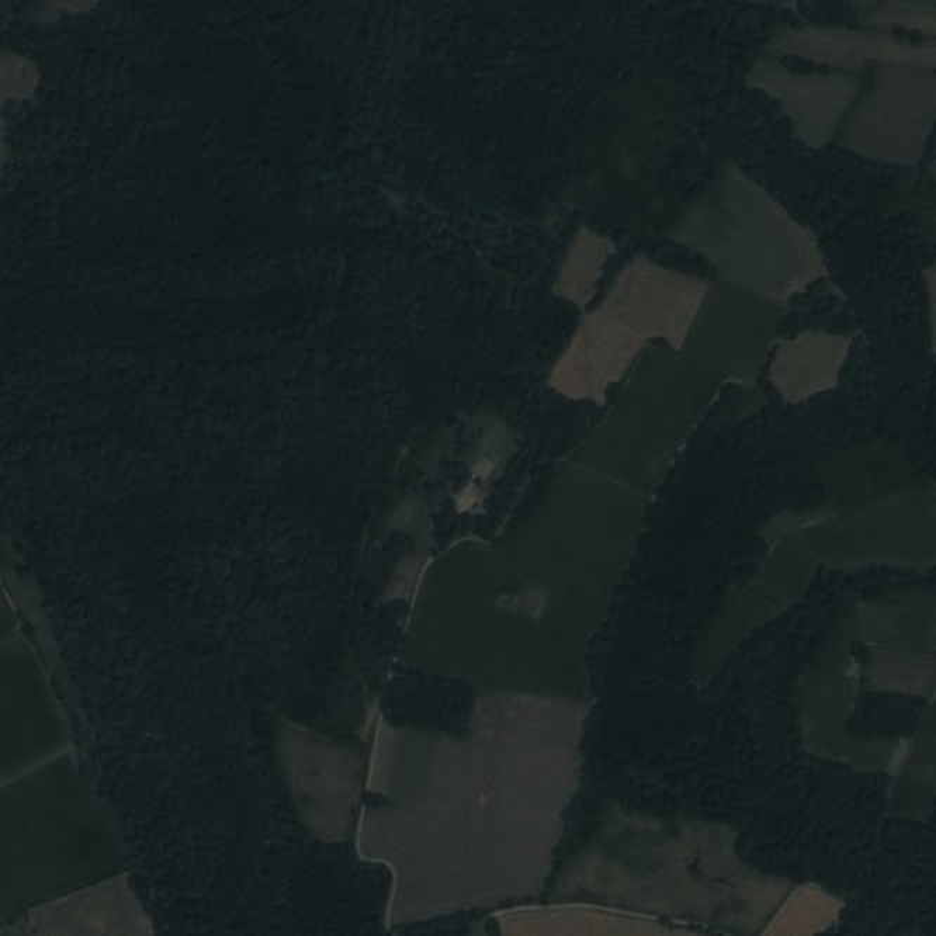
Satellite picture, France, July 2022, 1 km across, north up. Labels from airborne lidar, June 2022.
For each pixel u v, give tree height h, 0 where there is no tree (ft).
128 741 57
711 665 0
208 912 50
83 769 55
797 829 45
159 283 55
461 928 36
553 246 48
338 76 65
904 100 0
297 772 0
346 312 45
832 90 0
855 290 55
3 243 45
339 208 49
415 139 80
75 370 77
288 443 66
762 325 0
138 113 50
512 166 57
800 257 0
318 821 0
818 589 71
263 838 67
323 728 0
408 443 0
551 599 0
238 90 60
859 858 62
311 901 33
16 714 0
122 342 41
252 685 52
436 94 60
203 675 85
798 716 59
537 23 68
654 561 45
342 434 75
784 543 0
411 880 0
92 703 56
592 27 64
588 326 0
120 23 29
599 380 0
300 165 78
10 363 37
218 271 80
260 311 56
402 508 0
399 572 0
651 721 19
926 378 71
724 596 37
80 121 76
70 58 88
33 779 0
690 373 0
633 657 74
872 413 52
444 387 60
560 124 63
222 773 50
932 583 61
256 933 39
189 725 55
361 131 93
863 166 73
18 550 59
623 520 0
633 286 0
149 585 35
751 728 76
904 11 0
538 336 56
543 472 33
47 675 0
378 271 84
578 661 0
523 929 0
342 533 43
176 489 57
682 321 0
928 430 67
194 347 93
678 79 21
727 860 0
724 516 64
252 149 61
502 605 0
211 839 59
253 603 73
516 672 0
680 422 0
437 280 73
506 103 55
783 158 68
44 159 55
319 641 51
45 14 0
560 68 68
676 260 55
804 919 0
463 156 67
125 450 71
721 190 0
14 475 66
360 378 47
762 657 83
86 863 0
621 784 66
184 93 57
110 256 37
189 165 60
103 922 0
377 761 0
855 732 67
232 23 77
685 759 72
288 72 56
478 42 48
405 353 60
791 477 86
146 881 27
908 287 29
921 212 0
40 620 0
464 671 0
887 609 0
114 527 41
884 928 66
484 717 0
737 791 71
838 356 0
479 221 30
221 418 85
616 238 60
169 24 55
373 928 40
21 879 0
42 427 33
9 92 0
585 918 0
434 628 0
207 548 75
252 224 53
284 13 81
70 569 30
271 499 54
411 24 103
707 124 51
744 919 0
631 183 0
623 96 0
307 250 47
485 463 0
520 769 0
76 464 71
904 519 0
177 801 58
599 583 0
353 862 54
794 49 0
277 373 91
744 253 0
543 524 0
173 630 57
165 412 53
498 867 0
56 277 31
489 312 63
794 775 82
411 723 41
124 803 58
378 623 62
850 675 0
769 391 43
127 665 65
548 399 62
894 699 51
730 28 84
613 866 0
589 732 52
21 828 0
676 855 0
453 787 0
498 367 48
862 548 0
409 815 0
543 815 0
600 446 0
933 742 0
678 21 53
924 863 71
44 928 0
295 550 46
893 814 0
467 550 0
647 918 0
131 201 82
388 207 19
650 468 0
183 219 52
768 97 65
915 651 0
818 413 64
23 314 83
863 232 51
